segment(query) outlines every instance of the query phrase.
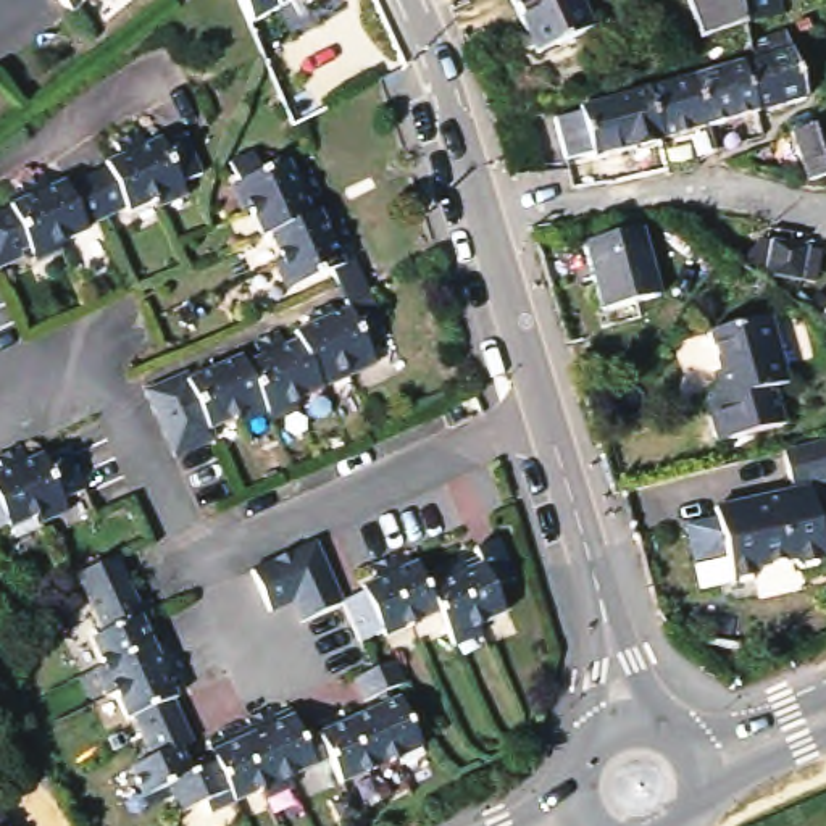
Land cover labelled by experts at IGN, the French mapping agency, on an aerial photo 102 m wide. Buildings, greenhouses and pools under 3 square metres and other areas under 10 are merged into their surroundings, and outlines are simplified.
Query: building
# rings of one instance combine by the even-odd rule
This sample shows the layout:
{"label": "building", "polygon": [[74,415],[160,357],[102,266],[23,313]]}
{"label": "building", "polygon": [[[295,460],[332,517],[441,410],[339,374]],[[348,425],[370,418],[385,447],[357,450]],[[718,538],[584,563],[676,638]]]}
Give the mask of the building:
{"label": "building", "polygon": [[374,549],[374,555],[368,558],[368,568],[374,571],[371,594],[378,597],[384,623],[390,629],[400,629],[410,620],[423,620],[436,610],[439,600],[448,600],[455,636],[478,639],[481,626],[494,626],[494,616],[507,610],[507,597],[487,558],[481,561],[471,552],[465,552],[448,578],[432,578],[413,552],[416,545],[387,549],[384,542],[381,549]]}
{"label": "building", "polygon": [[171,368],[152,381],[145,403],[152,407],[165,442],[177,439],[181,455],[207,445],[213,448],[223,439],[232,442],[242,429],[242,419],[265,419],[268,426],[284,423],[290,413],[300,413],[307,407],[313,394],[319,384],[339,381],[336,368],[345,361],[352,371],[361,371],[384,358],[387,342],[397,297],[381,277],[374,277],[368,252],[361,248],[358,219],[348,213],[345,197],[326,184],[326,171],[316,161],[287,145],[252,145],[232,152],[232,161],[239,174],[229,174],[229,181],[223,184],[219,223],[232,226],[239,216],[258,210],[258,219],[274,232],[277,245],[284,248],[277,255],[277,294],[294,287],[294,281],[313,274],[323,261],[336,265],[339,274],[339,297],[319,303],[313,316],[307,316],[297,307],[265,313],[274,326],[268,342],[245,342],[213,358]]}
{"label": "building", "polygon": [[826,194],[826,136],[816,123],[800,126],[794,132],[800,142],[797,161],[807,174],[803,187],[807,194]]}
{"label": "building", "polygon": [[703,378],[703,416],[716,423],[716,442],[732,439],[736,445],[745,445],[758,432],[784,432],[784,419],[797,419],[800,413],[797,397],[787,397],[784,387],[791,378],[813,381],[816,365],[800,358],[794,323],[787,316],[778,316],[761,297],[755,297],[736,307],[739,319],[713,326],[707,336],[687,339],[678,352],[681,368],[700,371]]}
{"label": "building", "polygon": [[87,697],[94,697],[94,703],[100,707],[100,700],[110,690],[123,690],[126,707],[139,716],[132,726],[106,726],[106,742],[113,749],[113,761],[126,758],[129,768],[142,778],[136,791],[142,800],[158,791],[168,791],[168,807],[161,807],[155,813],[155,826],[184,826],[187,810],[219,787],[226,787],[226,794],[290,791],[294,800],[303,807],[313,800],[313,794],[303,784],[303,771],[323,761],[323,739],[329,739],[342,755],[345,784],[355,784],[371,778],[371,765],[384,765],[387,752],[407,755],[413,749],[423,749],[423,742],[419,713],[413,713],[403,703],[403,690],[410,687],[403,681],[384,681],[378,668],[365,671],[355,681],[358,703],[332,703],[336,723],[329,723],[323,732],[310,732],[300,723],[294,703],[248,700],[248,723],[232,720],[223,732],[207,732],[187,690],[194,684],[194,665],[171,620],[161,613],[161,600],[152,587],[155,571],[145,561],[139,561],[139,555],[106,549],[103,561],[84,568],[81,578],[87,603],[100,610],[103,626],[97,629],[97,636],[106,661],[81,668],[81,684]]}
{"label": "building", "polygon": [[119,161],[106,161],[103,168],[48,168],[23,187],[13,187],[10,181],[0,184],[0,284],[13,284],[13,277],[19,277],[23,271],[32,277],[45,277],[48,265],[65,252],[61,239],[74,239],[87,226],[100,226],[103,236],[113,236],[126,226],[126,223],[119,219],[123,207],[158,197],[174,197],[184,197],[190,190],[184,184],[177,165],[181,155],[174,152],[174,145],[158,129],[142,126],[129,132],[129,142],[119,148]]}
{"label": "building", "polygon": [[281,16],[271,0],[252,0],[258,23]]}
{"label": "building", "polygon": [[739,616],[732,610],[707,610],[700,603],[690,620],[713,623],[716,649],[739,649],[736,639],[742,632]]}
{"label": "building", "polygon": [[732,597],[758,594],[758,571],[765,565],[771,565],[774,558],[816,558],[813,542],[826,536],[826,439],[803,439],[787,452],[794,461],[791,481],[736,487],[726,497],[726,510],[713,510],[716,526],[690,526],[684,532],[684,539],[690,542],[700,587],[723,587]]}
{"label": "building", "polygon": [[532,42],[549,42],[561,35],[568,26],[578,29],[600,26],[603,16],[613,16],[616,0],[516,0],[516,19],[526,29],[529,48]]}
{"label": "building", "polygon": [[274,607],[284,607],[297,597],[300,578],[307,571],[313,574],[316,590],[326,603],[352,597],[352,584],[336,555],[332,536],[316,532],[261,555],[258,574],[268,584]]}
{"label": "building", "polygon": [[65,500],[58,481],[61,468],[39,445],[42,436],[26,436],[10,448],[0,448],[0,490],[6,494],[13,519],[39,516],[42,526],[48,529],[52,523],[65,519],[65,510],[71,510],[71,503]]}
{"label": "building", "polygon": [[639,145],[649,139],[661,139],[665,145],[671,145],[674,129],[694,129],[710,116],[758,110],[761,119],[768,116],[771,103],[813,94],[810,68],[800,48],[794,45],[797,29],[813,29],[810,16],[803,16],[797,26],[791,23],[778,29],[752,26],[752,48],[710,58],[703,68],[678,68],[668,74],[642,77],[629,87],[590,97],[584,103],[587,110],[552,116],[545,129],[555,155],[561,161],[581,161],[581,152],[607,152],[620,145]]}
{"label": "building", "polygon": [[820,236],[807,223],[781,223],[768,213],[720,210],[739,236],[752,239],[752,248],[742,258],[742,265],[765,271],[771,281],[787,281],[794,271],[826,274],[826,236]]}
{"label": "building", "polygon": [[665,236],[658,223],[649,219],[642,203],[626,200],[613,207],[623,219],[620,229],[594,236],[584,245],[594,252],[600,294],[600,300],[603,300],[603,303],[613,303],[613,300],[623,300],[623,297],[632,297],[632,294],[642,294],[642,290],[652,290],[674,287],[674,258]]}
{"label": "building", "polygon": [[749,26],[749,16],[771,16],[791,10],[794,0],[690,0],[687,13],[700,35]]}

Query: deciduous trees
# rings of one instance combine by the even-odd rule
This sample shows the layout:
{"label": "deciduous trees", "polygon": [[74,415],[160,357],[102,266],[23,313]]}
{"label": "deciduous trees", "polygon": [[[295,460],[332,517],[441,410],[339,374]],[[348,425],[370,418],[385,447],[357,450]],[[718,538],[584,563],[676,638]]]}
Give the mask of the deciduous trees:
{"label": "deciduous trees", "polygon": [[649,426],[655,432],[674,432],[690,419],[703,416],[703,378],[700,371],[681,368],[674,378],[665,381],[665,387],[649,384],[649,371],[639,371],[636,365],[620,358],[600,358],[594,348],[574,355],[571,381],[578,394],[590,400],[594,410],[587,432],[594,442],[603,442],[607,448],[626,445],[626,436],[639,426]]}
{"label": "deciduous trees", "polygon": [[52,768],[52,752],[58,749],[48,723],[48,707],[39,694],[39,671],[52,652],[65,645],[65,639],[71,639],[71,632],[77,629],[81,610],[87,603],[81,578],[68,581],[65,565],[52,565],[42,549],[26,545],[23,536],[10,536],[6,529],[0,529],[0,810],[23,807],[23,797],[42,784],[42,778]]}

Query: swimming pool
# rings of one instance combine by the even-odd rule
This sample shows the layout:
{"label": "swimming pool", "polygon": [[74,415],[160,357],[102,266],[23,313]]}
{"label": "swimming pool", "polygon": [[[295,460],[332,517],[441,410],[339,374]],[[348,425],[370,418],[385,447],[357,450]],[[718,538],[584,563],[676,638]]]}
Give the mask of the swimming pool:
{"label": "swimming pool", "polygon": [[313,394],[307,407],[313,410],[313,416],[329,416],[329,400],[323,394]]}
{"label": "swimming pool", "polygon": [[307,423],[300,413],[290,413],[284,423],[290,436],[303,436]]}

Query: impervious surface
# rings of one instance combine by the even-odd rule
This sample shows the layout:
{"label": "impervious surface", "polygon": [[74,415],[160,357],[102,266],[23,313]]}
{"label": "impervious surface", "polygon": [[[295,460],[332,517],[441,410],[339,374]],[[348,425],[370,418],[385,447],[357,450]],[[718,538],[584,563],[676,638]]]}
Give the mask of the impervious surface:
{"label": "impervious surface", "polygon": [[378,387],[381,381],[403,371],[397,348],[387,342],[384,358],[361,371],[361,381],[368,387]]}
{"label": "impervious surface", "polygon": [[119,219],[126,223],[155,223],[158,197],[123,207]]}
{"label": "impervious surface", "polygon": [[239,216],[232,226],[229,248],[248,261],[248,284],[255,294],[277,300],[339,274],[336,265],[323,261],[313,274],[294,281],[294,287],[277,294],[277,255],[284,248],[277,245],[274,232],[258,219],[258,210]]}
{"label": "impervious surface", "polygon": [[419,781],[429,781],[426,749],[423,749],[413,749],[407,755],[387,752],[384,765],[371,765],[371,778],[355,784],[365,803],[397,810],[400,803],[394,800],[394,791],[416,791]]}
{"label": "impervious surface", "polygon": [[532,42],[529,48],[542,52],[549,61],[565,61],[581,52],[578,29],[568,26],[561,35],[549,42]]}
{"label": "impervious surface", "polygon": [[0,826],[71,826],[52,787],[42,784],[23,797],[23,807],[0,810]]}
{"label": "impervious surface", "polygon": [[71,13],[77,6],[87,26],[97,19],[106,23],[123,13],[119,0],[0,0],[0,58],[19,55],[29,45],[42,45],[52,45],[55,32],[61,32],[61,13]]}
{"label": "impervious surface", "polygon": [[652,294],[652,290],[642,290],[642,294],[632,294],[632,297],[623,297],[623,300],[613,300],[613,303],[603,303],[603,300],[600,300],[600,294],[597,294],[597,307],[600,307],[600,313],[636,313],[636,310],[639,310],[639,303],[652,303],[652,300],[655,300],[655,294]]}
{"label": "impervious surface", "polygon": [[[497,484],[497,458],[507,455],[513,461],[516,487],[526,503],[532,539],[539,545],[552,600],[568,639],[568,690],[561,694],[555,710],[565,729],[565,742],[532,771],[532,778],[513,787],[503,800],[494,800],[487,807],[468,807],[445,820],[442,826],[742,826],[794,797],[826,787],[826,655],[807,665],[794,661],[774,681],[765,684],[723,684],[700,665],[687,661],[681,652],[674,652],[674,645],[665,636],[665,610],[655,594],[642,536],[665,519],[678,519],[684,532],[690,526],[716,526],[713,510],[726,510],[726,497],[736,487],[791,481],[794,461],[787,452],[778,455],[778,465],[771,458],[752,461],[745,468],[739,468],[739,461],[723,461],[674,478],[645,478],[636,494],[620,487],[613,478],[607,448],[603,442],[594,442],[587,432],[594,410],[590,400],[578,394],[571,381],[574,355],[571,339],[561,323],[555,294],[545,268],[545,252],[532,239],[536,223],[552,226],[552,216],[613,207],[626,200],[642,203],[668,200],[700,200],[720,210],[768,213],[781,223],[807,223],[820,236],[826,236],[826,194],[807,194],[803,187],[787,187],[729,168],[729,155],[758,145],[765,152],[761,158],[797,161],[800,142],[794,132],[800,126],[816,123],[810,113],[813,94],[771,103],[768,116],[761,119],[758,110],[710,116],[694,129],[674,129],[671,145],[665,145],[661,139],[649,139],[639,145],[620,145],[607,152],[581,152],[581,161],[561,161],[555,155],[549,171],[507,171],[500,139],[494,129],[494,113],[487,106],[484,90],[478,87],[471,71],[455,71],[455,61],[461,61],[468,29],[484,29],[497,19],[516,19],[516,0],[378,0],[374,13],[387,39],[394,42],[397,55],[384,58],[381,48],[361,29],[355,0],[271,0],[281,16],[290,26],[290,42],[261,42],[258,23],[252,0],[242,0],[239,10],[248,39],[255,48],[265,45],[265,58],[271,61],[284,90],[284,106],[290,110],[284,113],[287,126],[294,126],[307,126],[310,119],[316,119],[326,110],[326,103],[323,97],[329,90],[336,90],[342,81],[355,77],[365,68],[374,68],[381,81],[387,81],[394,94],[387,100],[394,123],[400,123],[407,145],[419,148],[419,161],[413,165],[413,174],[419,181],[403,187],[403,197],[429,203],[429,213],[423,216],[419,229],[413,236],[413,245],[419,252],[439,245],[439,252],[448,258],[461,358],[468,358],[484,390],[455,407],[448,416],[439,416],[432,423],[413,426],[394,439],[378,442],[378,455],[361,455],[358,465],[339,461],[332,468],[297,478],[284,484],[277,497],[265,494],[252,500],[252,507],[216,507],[226,497],[226,484],[223,465],[210,461],[213,448],[207,445],[181,455],[177,439],[165,442],[152,407],[145,403],[152,381],[145,371],[132,368],[139,355],[152,352],[152,329],[145,316],[152,313],[145,307],[145,294],[116,294],[106,307],[39,339],[16,339],[16,332],[10,329],[13,319],[6,316],[6,303],[0,297],[0,448],[10,448],[26,436],[42,436],[39,445],[61,468],[58,481],[65,500],[71,503],[71,510],[65,510],[65,519],[71,526],[84,523],[87,510],[106,507],[106,497],[129,497],[139,503],[145,523],[152,526],[152,536],[158,539],[155,545],[148,545],[148,552],[139,555],[139,561],[145,561],[155,571],[152,587],[161,600],[187,587],[203,587],[200,603],[187,607],[171,620],[194,665],[194,684],[187,690],[207,732],[223,732],[232,720],[248,723],[248,700],[294,703],[300,723],[310,732],[323,732],[329,723],[336,723],[332,703],[358,703],[355,681],[342,681],[336,671],[358,661],[358,645],[365,645],[365,639],[378,636],[390,649],[410,649],[416,642],[429,636],[442,652],[471,655],[478,652],[478,639],[455,636],[448,600],[439,600],[436,610],[423,620],[410,620],[400,629],[390,629],[384,623],[378,597],[371,594],[374,571],[368,568],[368,558],[374,555],[374,549],[381,549],[384,542],[387,549],[416,545],[413,552],[432,578],[448,578],[465,552],[471,552],[481,561],[487,558],[507,597],[507,610],[519,603],[526,590],[519,555],[513,549],[510,532],[490,532],[490,516],[503,503]],[[326,603],[316,590],[313,574],[307,571],[300,578],[297,597],[284,607],[274,607],[268,584],[258,574],[261,555],[316,532],[332,536],[336,555],[352,584],[352,597]]]}
{"label": "impervious surface", "polygon": [[142,813],[145,803],[161,807],[168,807],[168,791],[158,791],[142,800],[136,791],[142,778],[129,768],[116,774],[116,797],[126,800],[129,813]]}
{"label": "impervious surface", "polygon": [[303,807],[294,800],[290,791],[226,794],[226,787],[219,787],[187,810],[184,826],[297,826],[290,816],[303,816]]}
{"label": "impervious surface", "polygon": [[139,716],[126,707],[123,690],[110,690],[100,700],[100,707],[106,726],[132,726]]}
{"label": "impervious surface", "polygon": [[345,787],[345,784],[342,755],[329,739],[323,739],[323,761],[303,771],[303,784],[313,794],[326,787]]}
{"label": "impervious surface", "polygon": [[106,661],[97,636],[97,629],[103,626],[100,610],[87,603],[81,610],[77,629],[71,632],[71,639],[65,639],[65,645],[71,649],[81,668]]}
{"label": "impervious surface", "polygon": [[800,574],[826,555],[826,536],[813,542],[816,558],[774,558],[771,565],[765,565],[758,571],[758,594],[778,597],[800,590]]}
{"label": "impervious surface", "polygon": [[106,161],[119,161],[119,148],[129,142],[129,132],[142,126],[158,129],[174,145],[174,152],[181,155],[177,165],[184,184],[190,190],[197,187],[200,171],[207,168],[210,158],[207,132],[203,126],[177,123],[181,110],[174,103],[174,90],[187,84],[181,68],[165,48],[132,58],[110,77],[90,84],[52,123],[32,126],[26,132],[26,142],[0,158],[0,184],[10,181],[13,187],[23,187],[48,168],[103,168]]}
{"label": "impervious surface", "polygon": [[81,258],[100,258],[103,236],[100,226],[87,226],[74,239]]}
{"label": "impervious surface", "polygon": [[39,516],[13,519],[6,494],[0,490],[0,529],[6,529],[10,536],[23,536],[39,532],[42,526]]}

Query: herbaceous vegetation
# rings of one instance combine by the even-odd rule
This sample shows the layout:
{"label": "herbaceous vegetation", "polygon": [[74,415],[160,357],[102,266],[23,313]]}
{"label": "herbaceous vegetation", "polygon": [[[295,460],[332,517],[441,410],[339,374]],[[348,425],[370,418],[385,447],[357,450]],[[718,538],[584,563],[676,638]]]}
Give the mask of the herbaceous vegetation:
{"label": "herbaceous vegetation", "polygon": [[123,245],[132,274],[142,281],[145,265],[126,226],[113,236]]}
{"label": "herbaceous vegetation", "polygon": [[65,519],[52,523],[48,529],[58,536],[65,549],[65,565],[68,581],[81,578],[84,568],[103,561],[106,549],[139,555],[148,552],[148,545],[155,545],[158,539],[152,536],[152,526],[145,523],[139,503],[129,497],[106,497],[106,507],[87,510],[84,523],[71,526]]}
{"label": "herbaceous vegetation", "polygon": [[471,655],[442,652],[445,671],[461,697],[471,726],[487,739],[497,726],[487,716],[487,707],[468,671]]}
{"label": "herbaceous vegetation", "polygon": [[113,35],[113,29],[123,19],[142,13],[148,0],[119,0],[123,13],[106,23],[97,19],[87,26],[77,6],[71,13],[61,13],[61,32],[55,32],[52,45],[90,52]]}
{"label": "herbaceous vegetation", "polygon": [[742,258],[752,248],[752,239],[739,236],[720,210],[700,200],[668,200],[678,213],[697,216],[716,242],[723,242]]}
{"label": "herbaceous vegetation", "polygon": [[397,810],[407,810],[407,826],[442,826],[445,820],[429,803],[429,791],[458,781],[461,774],[436,749],[426,749],[429,781],[419,781],[416,791],[394,791],[394,800],[400,803]]}
{"label": "herbaceous vegetation", "polygon": [[403,703],[413,713],[419,713],[423,742],[432,736],[432,729],[439,729],[442,703],[429,687],[432,671],[426,661],[426,649],[416,642],[410,649],[390,649],[378,636],[365,639],[365,645],[358,645],[358,661],[336,671],[342,681],[355,681],[365,671],[378,668],[384,681],[403,681],[410,687],[403,690]]}
{"label": "herbaceous vegetation", "polygon": [[826,274],[794,271],[787,281],[797,284],[797,303],[807,303],[816,313],[826,310]]}
{"label": "herbaceous vegetation", "polygon": [[810,616],[810,626],[826,626],[826,555],[800,574],[800,590],[778,597],[758,594],[732,597],[723,587],[700,587],[690,542],[684,539],[674,542],[665,558],[671,565],[671,584],[684,587],[690,603],[700,603],[707,610],[732,610],[739,616],[742,632],[755,629],[761,620],[787,616],[794,610],[803,610]]}
{"label": "herbaceous vegetation", "polygon": [[313,800],[326,813],[326,823],[342,823],[345,787],[326,787],[313,794]]}
{"label": "herbaceous vegetation", "polygon": [[155,826],[155,813],[161,807],[145,803],[142,813],[129,813],[126,800],[116,797],[116,774],[129,768],[126,758],[113,761],[103,771],[84,774],[87,794],[103,797],[106,803],[106,826]]}
{"label": "herbaceous vegetation", "polygon": [[48,707],[48,723],[58,749],[74,765],[81,765],[90,761],[97,749],[106,742],[106,726],[100,707],[94,703],[94,697],[87,697],[81,684],[81,668],[71,649],[65,645],[52,652],[39,671],[39,694]]}
{"label": "herbaceous vegetation", "polygon": [[639,303],[639,310],[636,310],[636,313],[600,313],[600,307],[597,307],[597,294],[600,294],[594,252],[584,245],[578,255],[555,255],[555,248],[545,252],[545,268],[555,294],[571,290],[574,297],[581,336],[571,339],[574,355],[594,348],[600,358],[620,358],[636,365],[639,371],[649,371],[661,345],[658,329],[678,319],[681,303],[700,310],[703,294],[720,284],[716,274],[710,274],[710,265],[700,252],[694,252],[678,232],[665,236],[674,258],[674,287],[652,290],[652,294],[655,294],[655,300],[652,300],[652,303]]}
{"label": "herbaceous vegetation", "polygon": [[319,303],[339,297],[339,274],[277,300],[255,294],[248,284],[248,261],[229,248],[232,226],[219,223],[210,219],[213,174],[207,168],[200,171],[197,187],[190,190],[184,197],[174,197],[174,210],[181,213],[184,226],[203,226],[207,232],[207,239],[200,242],[200,255],[216,252],[219,261],[210,268],[190,268],[181,281],[168,281],[165,287],[171,294],[161,300],[155,294],[145,294],[145,307],[152,313],[145,316],[152,329],[152,352],[139,355],[132,368],[145,371],[152,381],[171,368],[213,358],[245,342],[268,342],[274,326],[265,313],[297,307],[307,316],[313,316]]}
{"label": "herbaceous vegetation", "polygon": [[510,645],[513,665],[526,687],[532,687],[532,674],[545,665],[545,652],[532,652],[532,642],[542,639],[545,620],[552,613],[545,600],[539,603],[526,590],[519,603],[507,610],[494,616],[494,626],[481,626],[478,639],[478,652],[471,655],[481,665],[481,674],[503,720],[513,726],[523,723],[523,710],[510,690],[510,681],[494,649],[500,639]]}
{"label": "herbaceous vegetation", "polygon": [[394,123],[387,100],[394,94],[387,81],[381,81],[342,110],[332,110],[326,103],[326,110],[316,119],[323,139],[316,161],[326,171],[326,184],[345,197],[348,213],[358,219],[361,248],[368,252],[374,277],[381,277],[397,297],[387,342],[397,348],[403,371],[381,381],[378,387],[368,387],[361,381],[361,371],[352,371],[345,361],[336,368],[339,381],[319,384],[313,394],[323,394],[329,400],[329,416],[313,416],[313,410],[307,407],[300,413],[307,423],[303,436],[290,436],[284,423],[268,426],[265,419],[242,419],[242,429],[232,442],[239,445],[248,471],[255,478],[265,478],[271,468],[290,458],[342,448],[352,436],[361,436],[361,403],[374,390],[387,397],[387,403],[400,403],[403,381],[419,387],[439,387],[442,381],[455,378],[455,368],[442,365],[439,358],[439,323],[426,303],[423,287],[400,281],[394,271],[407,255],[419,252],[413,245],[413,236],[419,229],[397,229],[387,219],[387,207],[403,197],[403,187],[419,181],[413,174],[413,165],[419,161],[419,148],[407,145],[400,123]]}
{"label": "herbaceous vegetation", "polygon": [[687,45],[694,52],[710,52],[710,58],[752,48],[752,26],[778,29],[791,23],[797,26],[803,16],[810,16],[813,29],[797,29],[794,45],[800,48],[810,68],[813,94],[810,113],[816,123],[826,136],[826,0],[794,0],[791,10],[771,16],[749,16],[749,26],[700,35],[687,13],[690,0],[655,0],[665,19],[681,29]]}
{"label": "herbaceous vegetation", "polygon": [[826,826],[826,787],[794,797],[742,826]]}
{"label": "herbaceous vegetation", "polygon": [[716,442],[716,423],[703,416],[690,419],[674,432],[655,432],[649,426],[639,426],[626,436],[626,445],[607,448],[613,478],[626,471],[629,461],[652,461],[674,455],[681,448]]}
{"label": "herbaceous vegetation", "polygon": [[42,87],[52,87],[68,68],[68,61],[58,61],[55,68],[45,68],[35,55],[42,45],[29,45],[19,55],[0,58],[0,68],[10,74],[13,87],[23,97],[35,97]]}
{"label": "herbaceous vegetation", "polygon": [[210,68],[181,68],[187,84],[207,84],[226,71],[236,71],[236,84],[216,97],[219,116],[207,132],[210,158],[223,165],[232,161],[232,152],[252,145],[287,145],[287,132],[294,126],[287,126],[284,113],[290,110],[284,106],[284,90],[271,61],[265,58],[265,45],[255,48],[248,39],[239,10],[242,0],[181,0],[184,6],[177,10],[177,23],[171,23],[171,29],[187,42],[210,42],[226,48],[223,58],[216,58]]}

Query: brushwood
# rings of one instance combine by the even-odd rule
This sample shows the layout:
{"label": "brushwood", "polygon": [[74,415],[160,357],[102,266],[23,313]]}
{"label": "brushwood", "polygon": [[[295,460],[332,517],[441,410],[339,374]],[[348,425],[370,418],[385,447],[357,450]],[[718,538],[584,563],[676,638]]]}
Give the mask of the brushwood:
{"label": "brushwood", "polygon": [[497,726],[487,739],[471,726],[461,697],[445,671],[442,652],[429,636],[416,642],[426,649],[426,661],[432,671],[429,687],[442,703],[439,729],[432,729],[432,736],[423,742],[423,749],[426,749],[436,749],[461,774],[458,781],[429,791],[429,803],[445,820],[468,807],[487,807],[494,800],[503,800],[513,787],[532,778],[532,771],[565,742],[565,729],[555,710],[561,694],[568,690],[568,639],[552,600],[539,545],[532,539],[526,503],[516,487],[513,461],[507,455],[497,458],[497,484],[503,503],[490,516],[490,532],[510,532],[513,549],[519,555],[526,590],[539,603],[545,600],[552,613],[545,620],[542,639],[532,642],[532,652],[545,652],[545,665],[532,674],[532,687],[526,687],[513,665],[510,645],[500,639],[494,649],[510,681],[510,690],[523,710],[523,723],[513,726],[503,720],[481,674],[481,665],[471,655],[468,671],[487,707],[487,716]]}
{"label": "brushwood", "polygon": [[419,387],[403,381],[400,403],[387,403],[387,397],[374,390],[361,403],[361,436],[352,436],[342,448],[290,458],[271,468],[265,478],[255,478],[248,471],[239,445],[232,442],[223,439],[213,448],[210,461],[223,465],[226,484],[226,497],[216,507],[252,507],[252,500],[265,494],[277,497],[284,484],[297,478],[332,468],[339,461],[358,465],[361,455],[378,455],[378,442],[394,439],[413,426],[432,423],[439,416],[448,416],[455,407],[484,390],[468,358],[461,358],[448,258],[439,252],[439,245],[419,252],[407,255],[394,271],[400,281],[423,287],[426,303],[439,323],[439,358],[442,365],[455,368],[455,378],[442,381],[439,387]]}
{"label": "brushwood", "polygon": [[26,142],[26,132],[32,126],[52,123],[90,84],[110,77],[132,58],[165,48],[181,68],[210,68],[216,58],[223,58],[226,48],[210,42],[187,42],[171,29],[171,23],[177,23],[177,10],[184,6],[181,0],[148,0],[142,13],[123,19],[113,29],[113,35],[90,52],[52,45],[42,45],[35,55],[45,68],[55,68],[58,61],[68,61],[68,68],[52,87],[42,87],[35,97],[23,97],[13,87],[10,74],[0,68],[0,158]]}
{"label": "brushwood", "polygon": [[668,74],[678,68],[703,68],[710,58],[710,52],[694,52],[687,45],[681,29],[665,19],[655,0],[616,0],[613,16],[603,16],[600,26],[578,29],[581,52],[565,61],[549,61],[542,52],[529,48],[526,29],[516,19],[497,19],[484,29],[468,29],[461,61],[455,61],[455,71],[471,71],[478,87],[484,90],[487,106],[494,113],[494,129],[500,139],[507,171],[549,171],[555,155],[545,129],[552,116],[587,110],[584,103],[590,97],[629,87],[642,77]]}
{"label": "brushwood", "polygon": [[161,613],[171,620],[187,607],[200,603],[203,587],[187,587],[161,600]]}
{"label": "brushwood", "polygon": [[613,207],[552,216],[552,226],[536,223],[532,239],[545,252],[555,248],[555,255],[578,255],[584,245],[594,236],[620,229],[623,219]]}
{"label": "brushwood", "polygon": [[387,207],[387,219],[397,229],[419,229],[423,216],[429,213],[429,203],[403,197]]}
{"label": "brushwood", "polygon": [[216,97],[236,84],[236,71],[226,71],[207,84],[187,84],[174,90],[174,103],[181,110],[177,123],[203,126],[207,132],[219,116]]}
{"label": "brushwood", "polygon": [[787,187],[803,187],[807,174],[797,161],[761,158],[765,152],[758,145],[729,155],[729,168]]}
{"label": "brushwood", "polygon": [[52,752],[52,768],[42,778],[42,784],[52,787],[71,826],[106,826],[106,803],[103,797],[87,794],[84,774],[103,771],[113,761],[113,749],[106,742],[97,749],[90,761],[81,765],[74,765],[58,749]]}
{"label": "brushwood", "polygon": [[326,103],[332,110],[342,110],[381,81],[374,68],[365,68],[355,77],[342,81],[336,90],[329,90],[323,97]]}
{"label": "brushwood", "polygon": [[581,336],[574,297],[571,290],[555,294],[561,323],[571,339]]}
{"label": "brushwood", "polygon": [[826,439],[826,310],[816,313],[807,303],[797,303],[797,284],[787,281],[771,281],[765,271],[742,265],[742,258],[723,242],[716,242],[697,216],[678,213],[668,200],[642,203],[649,219],[658,223],[665,236],[678,232],[694,252],[700,252],[710,265],[710,274],[716,274],[720,284],[703,294],[700,310],[681,303],[678,319],[658,329],[661,345],[649,371],[649,384],[665,387],[665,381],[674,378],[681,368],[678,352],[687,339],[707,336],[713,326],[739,319],[736,307],[755,297],[761,297],[778,316],[787,316],[794,323],[800,358],[816,365],[813,381],[791,378],[784,387],[787,397],[797,397],[800,413],[797,419],[784,419],[784,432],[758,432],[745,445],[736,445],[732,439],[716,442],[681,448],[674,455],[652,461],[629,461],[626,471],[613,478],[620,487],[636,494],[645,478],[674,478],[723,461],[739,461],[739,468],[745,468],[752,461],[771,458],[778,465],[778,455],[787,452],[803,439]]}
{"label": "brushwood", "polygon": [[52,565],[65,565],[65,549],[58,536],[48,529],[42,526],[39,532],[23,536],[26,545],[42,549]]}
{"label": "brushwood", "polygon": [[207,239],[207,232],[203,226],[184,226],[181,213],[174,210],[174,197],[158,197],[155,223],[126,223],[126,226],[145,265],[142,281],[132,274],[123,245],[113,236],[103,236],[100,258],[81,258],[74,239],[61,239],[65,252],[48,265],[45,277],[32,277],[23,271],[19,277],[13,277],[13,284],[0,284],[0,297],[6,303],[6,316],[13,319],[10,329],[16,332],[16,339],[39,339],[106,307],[116,294],[145,294],[155,294],[161,300],[171,294],[165,287],[168,281],[181,281],[190,268],[210,268],[219,261],[216,252],[200,255],[200,242]]}
{"label": "brushwood", "polygon": [[303,807],[303,816],[290,816],[297,826],[407,826],[407,810],[397,810],[365,803],[355,784],[345,784],[345,787],[342,823],[326,823],[326,813],[313,800]]}
{"label": "brushwood", "polygon": [[229,181],[229,174],[239,174],[232,161],[223,165],[210,158],[207,168],[213,174],[210,219],[219,223],[223,184]]}
{"label": "brushwood", "polygon": [[290,42],[290,26],[281,16],[258,23],[261,42]]}
{"label": "brushwood", "polygon": [[381,48],[384,58],[397,55],[394,42],[387,39],[374,13],[378,0],[355,0],[361,29]]}
{"label": "brushwood", "polygon": [[684,539],[684,532],[678,519],[665,519],[642,536],[655,594],[665,610],[665,636],[674,645],[674,652],[681,652],[687,661],[700,665],[723,684],[765,684],[774,681],[794,661],[807,665],[826,655],[826,626],[810,626],[810,616],[803,610],[794,610],[787,616],[761,620],[755,629],[742,632],[736,639],[739,649],[716,649],[713,623],[690,620],[700,603],[690,603],[684,587],[671,584],[671,565],[665,558],[674,542]]}
{"label": "brushwood", "polygon": [[294,126],[287,132],[287,145],[316,161],[323,139],[316,119],[310,119],[307,126]]}

